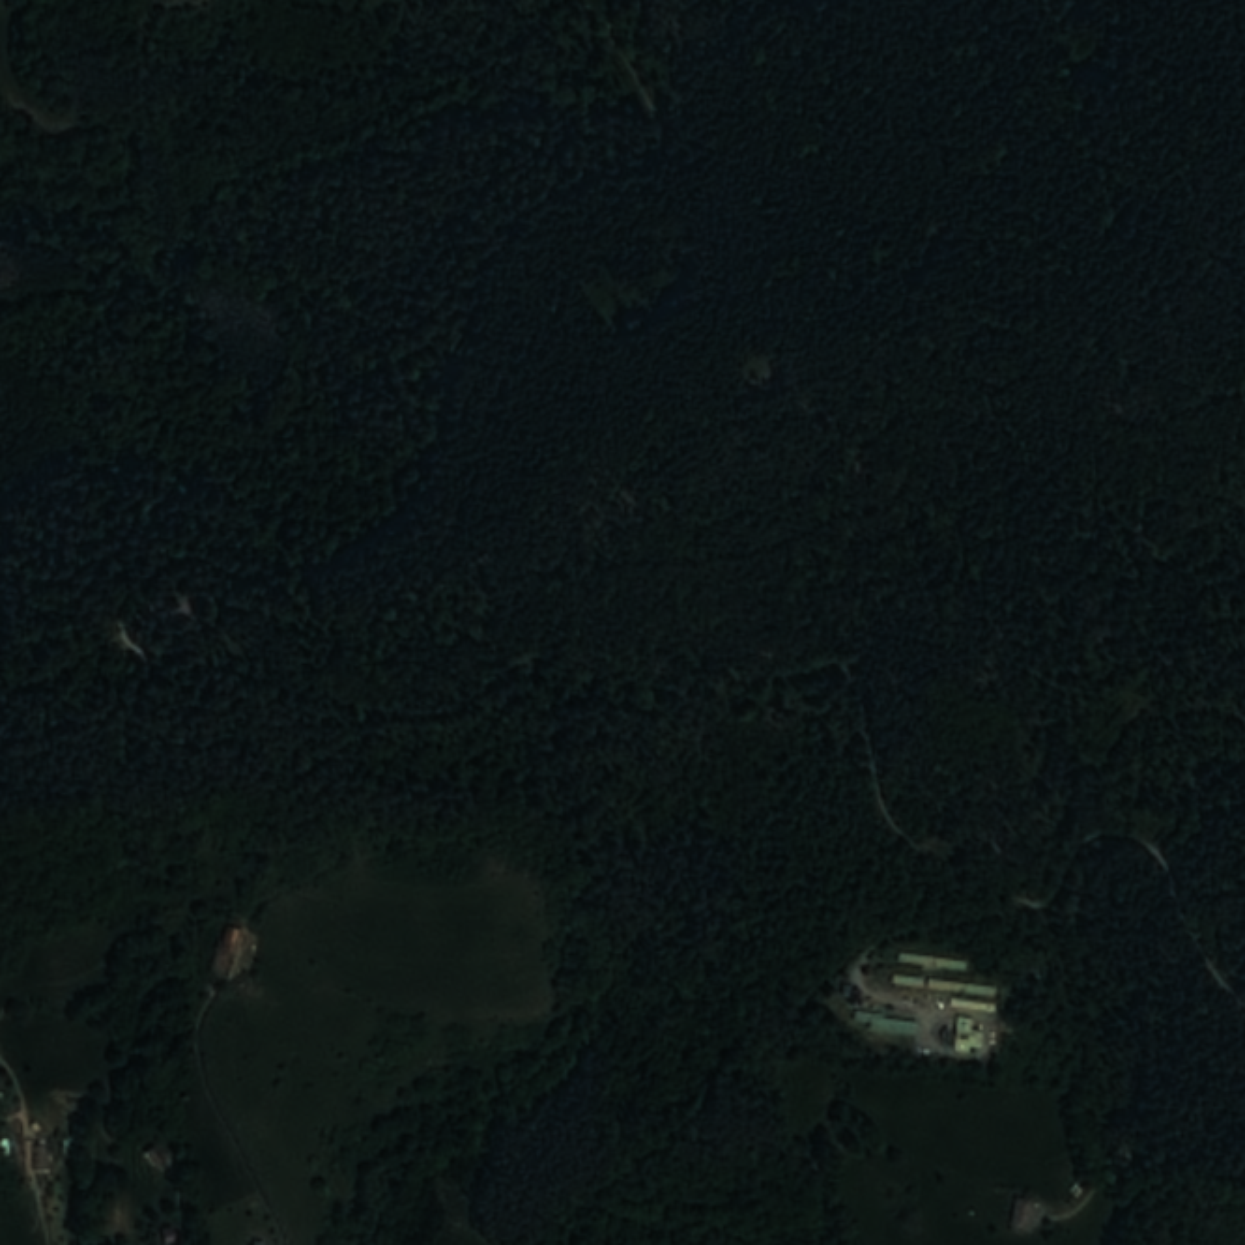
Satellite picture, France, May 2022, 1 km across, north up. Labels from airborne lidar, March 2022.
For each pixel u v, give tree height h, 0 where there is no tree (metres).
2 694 21
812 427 26
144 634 30
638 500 27
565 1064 23
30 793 31
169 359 15
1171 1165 32
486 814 22
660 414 25
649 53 29
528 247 29
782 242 26
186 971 25
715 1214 16
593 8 0
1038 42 31
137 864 17
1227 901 26
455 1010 0
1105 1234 0
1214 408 15
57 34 19
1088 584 22
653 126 39
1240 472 9
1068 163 29
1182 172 19
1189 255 24
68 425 10
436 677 23
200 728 35
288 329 26
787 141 22
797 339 27
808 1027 23
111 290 21
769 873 11
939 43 30
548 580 22
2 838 26
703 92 24
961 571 20
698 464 24
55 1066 0
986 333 24
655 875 28
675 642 22
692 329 27
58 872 26
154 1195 0
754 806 11
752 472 25
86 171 26
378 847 8
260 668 19
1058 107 27
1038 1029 13
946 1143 0
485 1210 23
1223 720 17
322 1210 0
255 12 16
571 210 31
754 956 12
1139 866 25
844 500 21
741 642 23
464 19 26
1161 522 23
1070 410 24
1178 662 28
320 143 18
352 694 20
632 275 26
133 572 29
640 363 26
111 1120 17
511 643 22
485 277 26
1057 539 15
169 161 17
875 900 19
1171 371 20
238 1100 0
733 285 28
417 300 36
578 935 17
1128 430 23
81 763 33
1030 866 18
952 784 23
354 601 31
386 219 27
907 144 25
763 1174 18
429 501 33
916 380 26
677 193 36
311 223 25
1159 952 25
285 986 0
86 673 12
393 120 23
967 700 20
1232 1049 27
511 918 0
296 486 18
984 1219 0
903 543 23
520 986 0
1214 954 17
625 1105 11
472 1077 17
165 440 17
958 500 22
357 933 0
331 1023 0
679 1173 18
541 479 28
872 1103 0
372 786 23
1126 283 25
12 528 36
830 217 29
